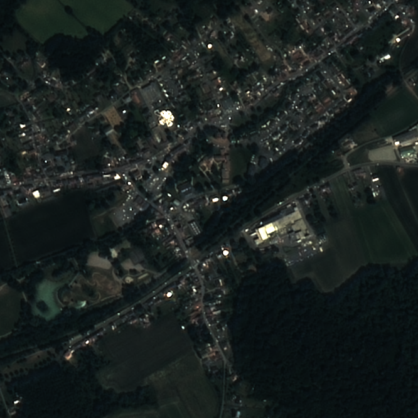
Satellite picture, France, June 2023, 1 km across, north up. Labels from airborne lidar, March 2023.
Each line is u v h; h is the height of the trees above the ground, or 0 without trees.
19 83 18
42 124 0
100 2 0
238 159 0
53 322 7
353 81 7
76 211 0
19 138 0
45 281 0
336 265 0
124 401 18
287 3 11
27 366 0
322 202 0
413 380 25
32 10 0
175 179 14
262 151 0
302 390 25
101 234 0
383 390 23
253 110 12
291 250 0
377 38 0
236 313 12
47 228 0
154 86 0
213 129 13
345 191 0
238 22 0
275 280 23
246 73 12
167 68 0
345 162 0
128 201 0
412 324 23
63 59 16
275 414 16
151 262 12
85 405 9
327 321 28
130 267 0
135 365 0
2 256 0
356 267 0
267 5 0
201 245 6
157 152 0
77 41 15
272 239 0
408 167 0
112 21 0
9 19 26
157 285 0
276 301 29
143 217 14
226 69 0
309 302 29
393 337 21
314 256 0
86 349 12
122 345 0
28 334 19
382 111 0
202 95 0
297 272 0
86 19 0
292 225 0
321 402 24
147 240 8
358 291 12
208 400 0
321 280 0
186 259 6
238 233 0
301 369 25
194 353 0
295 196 0
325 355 25
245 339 20
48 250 0
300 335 22
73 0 0
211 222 15
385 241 0
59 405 26
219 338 0
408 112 0
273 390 8
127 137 14
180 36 0
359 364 20
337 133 19
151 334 0
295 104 0
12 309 0
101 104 0
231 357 0
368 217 0
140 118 0
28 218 0
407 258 0
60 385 26
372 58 15
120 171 0
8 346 18
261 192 16
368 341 24
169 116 0
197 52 0
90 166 10
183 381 0
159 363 0
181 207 0
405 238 0
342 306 25
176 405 0
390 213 0
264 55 0
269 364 20
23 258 0
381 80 13
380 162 0
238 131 15
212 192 0
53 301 0
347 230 0
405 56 0
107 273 0
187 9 23
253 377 16
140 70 7
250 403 0
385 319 28
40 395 25
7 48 0
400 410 24
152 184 0
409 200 0
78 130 0
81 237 0
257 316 22
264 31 0
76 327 18
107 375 0
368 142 0
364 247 0
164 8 0
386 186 0
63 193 7
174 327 0
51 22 0
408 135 0
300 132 0
